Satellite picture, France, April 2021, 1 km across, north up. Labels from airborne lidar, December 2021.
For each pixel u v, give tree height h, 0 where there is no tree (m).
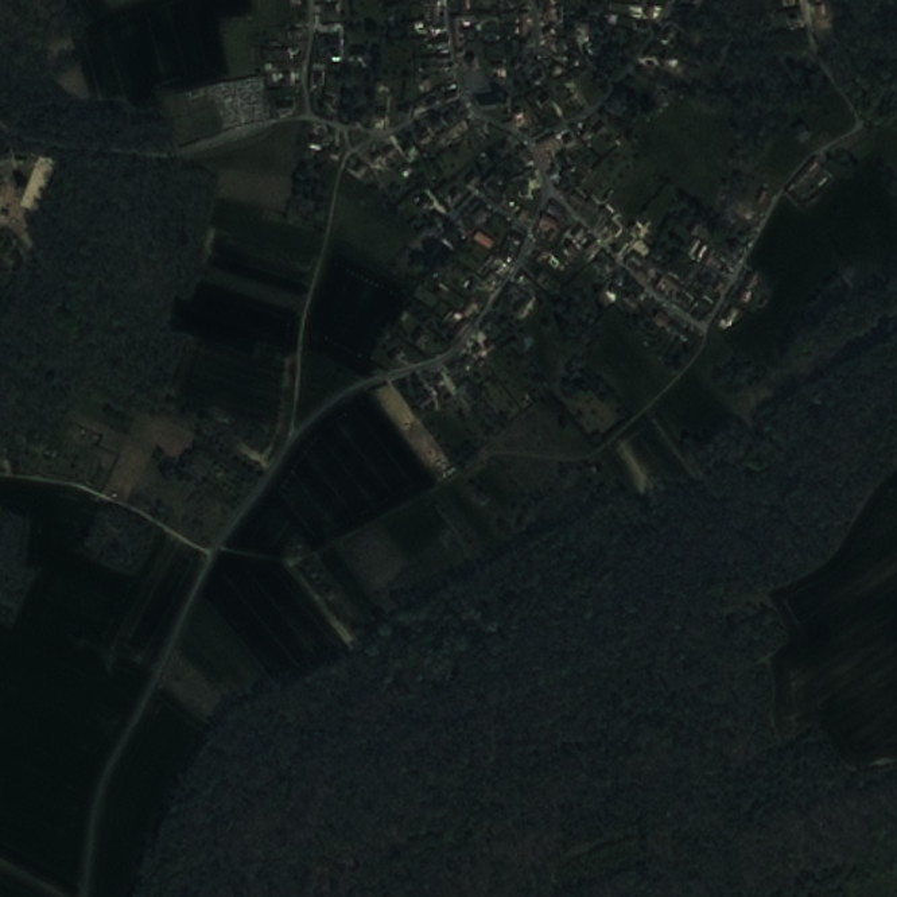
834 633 0
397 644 20
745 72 6
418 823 19
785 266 0
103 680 0
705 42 9
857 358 19
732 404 0
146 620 0
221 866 18
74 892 0
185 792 14
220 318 0
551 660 17
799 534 22
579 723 20
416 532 0
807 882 15
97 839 0
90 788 0
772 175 0
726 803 18
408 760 14
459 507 0
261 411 0
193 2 0
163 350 19
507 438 0
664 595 24
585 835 13
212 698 0
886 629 0
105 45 0
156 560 0
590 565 25
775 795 15
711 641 17
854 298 17
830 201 0
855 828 21
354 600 0
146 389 18
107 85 0
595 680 19
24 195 0
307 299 0
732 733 17
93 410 0
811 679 0
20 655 0
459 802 18
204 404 0
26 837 0
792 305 0
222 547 0
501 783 16
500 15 11
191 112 0
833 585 0
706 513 23
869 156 0
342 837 23
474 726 17
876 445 19
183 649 0
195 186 22
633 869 15
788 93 30
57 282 16
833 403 24
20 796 0
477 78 0
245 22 0
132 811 0
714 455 16
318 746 18
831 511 20
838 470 26
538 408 0
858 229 0
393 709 16
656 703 17
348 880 24
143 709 0
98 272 16
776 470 13
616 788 17
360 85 6
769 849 19
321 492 0
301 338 0
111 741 0
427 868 20
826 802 18
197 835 19
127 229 18
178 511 0
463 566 0
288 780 15
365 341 0
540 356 0
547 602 28
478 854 18
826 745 7
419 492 0
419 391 12
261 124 0
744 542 26
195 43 0
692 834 17
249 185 0
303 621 0
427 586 0
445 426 0
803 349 23
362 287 0
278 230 0
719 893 11
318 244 0
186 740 0
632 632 18
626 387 0
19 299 20
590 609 27
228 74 0
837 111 0
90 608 0
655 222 0
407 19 9
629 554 27
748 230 6
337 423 0
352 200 0
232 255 0
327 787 21
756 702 17
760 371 8
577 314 10
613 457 0
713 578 23
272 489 0
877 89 27
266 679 0
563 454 0
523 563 29
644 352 0
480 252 0
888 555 0
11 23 20
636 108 11
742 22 10
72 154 23
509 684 18
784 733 0
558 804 19
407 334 7
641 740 24
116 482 0
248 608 0
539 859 16
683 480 0
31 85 22
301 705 22
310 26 0
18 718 0
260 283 0
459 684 21
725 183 9
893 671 0
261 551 0
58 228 15
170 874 21
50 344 20
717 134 0
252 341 0
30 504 0
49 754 0
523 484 0
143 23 0
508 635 27
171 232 20
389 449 0
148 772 0
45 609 0
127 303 19
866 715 0
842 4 0
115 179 18
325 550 0
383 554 0
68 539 0
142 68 0
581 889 13
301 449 0
